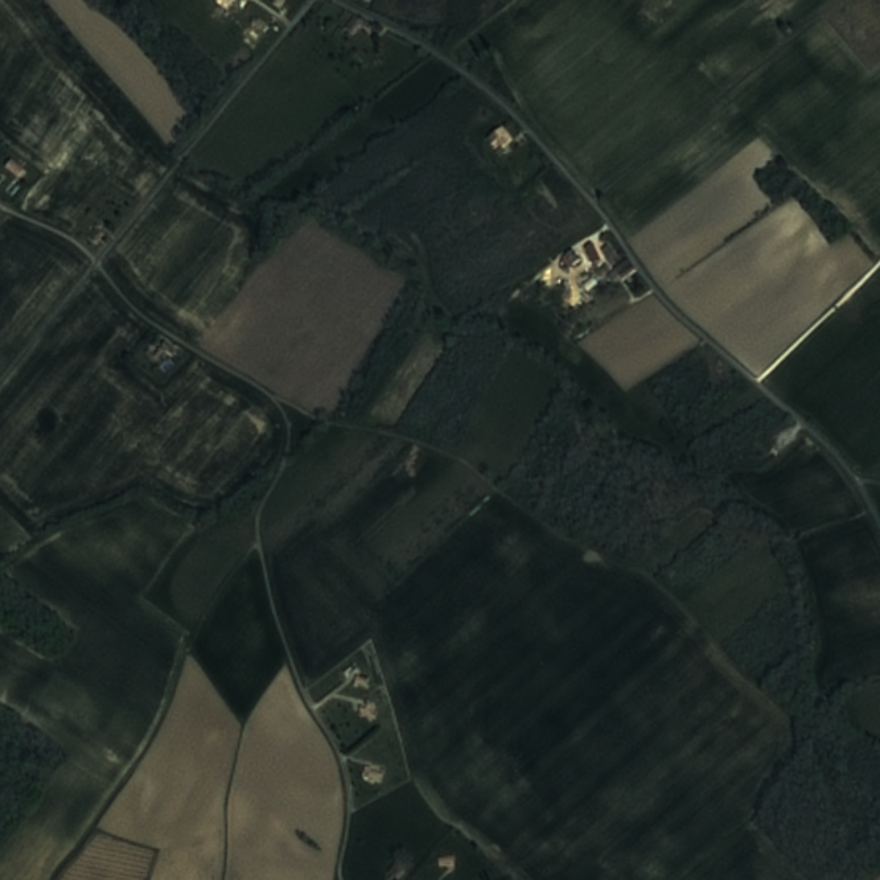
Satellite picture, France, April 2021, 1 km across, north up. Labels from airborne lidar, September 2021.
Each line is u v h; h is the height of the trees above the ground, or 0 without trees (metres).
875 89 0
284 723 0
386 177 10
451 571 0
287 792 0
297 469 0
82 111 0
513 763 0
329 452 0
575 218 0
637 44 0
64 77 0
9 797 19
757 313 0
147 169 0
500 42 0
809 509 0
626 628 0
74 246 0
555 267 0
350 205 12
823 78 0
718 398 10
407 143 11
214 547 0
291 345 0
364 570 0
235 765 0
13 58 0
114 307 0
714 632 0
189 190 0
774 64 0
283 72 0
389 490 0
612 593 0
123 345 0
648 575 0
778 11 0
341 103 0
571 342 0
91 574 0
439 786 0
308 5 0
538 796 0
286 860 0
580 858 0
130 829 0
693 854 0
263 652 0
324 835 0
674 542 0
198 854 0
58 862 0
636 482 18
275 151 0
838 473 0
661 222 0
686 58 0
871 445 0
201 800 0
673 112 0
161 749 0
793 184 16
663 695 0
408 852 13
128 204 6
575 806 0
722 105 0
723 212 0
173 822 0
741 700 0
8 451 0
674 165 0
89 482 0
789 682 19
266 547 0
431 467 0
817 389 0
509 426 0
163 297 0
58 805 0
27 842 0
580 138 0
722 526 19
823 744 12
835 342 0
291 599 0
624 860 0
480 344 12
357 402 13
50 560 0
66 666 0
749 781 0
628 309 0
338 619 0
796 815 26
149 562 0
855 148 0
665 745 0
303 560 0
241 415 0
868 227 0
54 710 0
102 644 0
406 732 0
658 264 0
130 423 0
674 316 0
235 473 0
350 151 0
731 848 0
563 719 0
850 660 0
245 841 0
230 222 0
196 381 0
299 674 0
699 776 0
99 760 0
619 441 19
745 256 0
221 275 0
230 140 0
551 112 0
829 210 15
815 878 18
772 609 7
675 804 0
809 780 24
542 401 0
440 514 0
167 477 0
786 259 0
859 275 0
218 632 0
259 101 0
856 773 18
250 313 0
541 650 0
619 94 0
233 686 0
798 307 0
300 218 14
